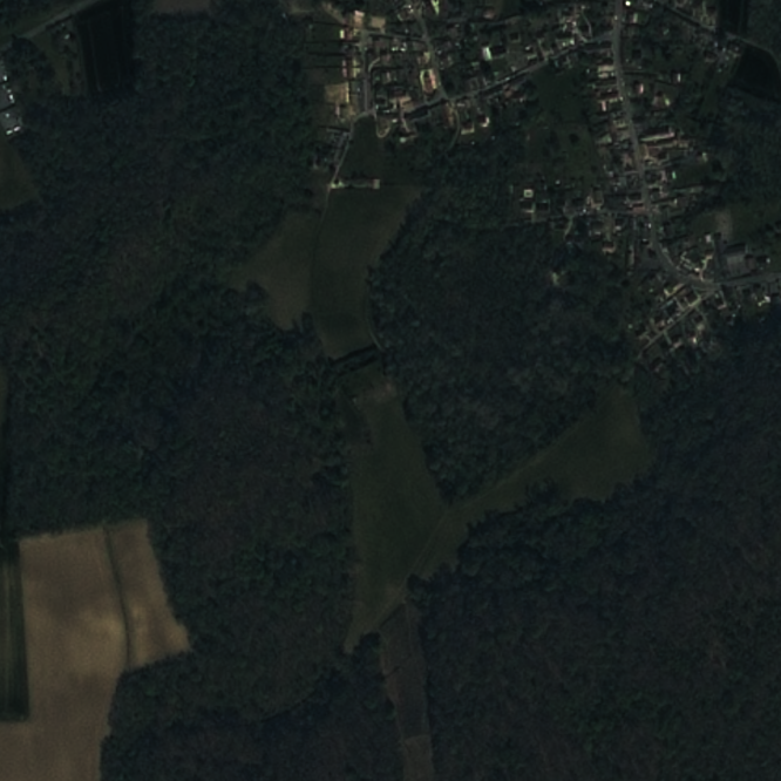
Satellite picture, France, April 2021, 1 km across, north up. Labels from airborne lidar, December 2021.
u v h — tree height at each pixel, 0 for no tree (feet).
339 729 97
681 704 71
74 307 72
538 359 96
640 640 60
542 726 95
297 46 52
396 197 0
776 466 46
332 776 93
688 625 53
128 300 84
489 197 43
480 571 54
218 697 25
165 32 67
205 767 98
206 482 77
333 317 0
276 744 114
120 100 78
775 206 68
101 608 0
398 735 54
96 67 0
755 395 92
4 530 0
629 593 70
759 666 73
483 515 0
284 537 69
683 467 84
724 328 20
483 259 22
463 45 28
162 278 62
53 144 75
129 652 0
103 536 0
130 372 31
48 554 0
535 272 65
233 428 59
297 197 55
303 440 78
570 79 0
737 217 0
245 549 60
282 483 96
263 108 66
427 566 0
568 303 104
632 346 0
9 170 0
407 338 68
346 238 0
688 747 52
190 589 59
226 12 28
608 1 0
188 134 64
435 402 90
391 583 0
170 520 71
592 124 34
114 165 46
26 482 71
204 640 64
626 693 59
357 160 0
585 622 90
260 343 95
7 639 0
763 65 0
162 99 71
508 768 46
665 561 109
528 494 0
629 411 0
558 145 57
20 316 74
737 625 51
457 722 52
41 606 0
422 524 0
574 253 87
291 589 66
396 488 0
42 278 77
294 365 96
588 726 52
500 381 78
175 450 88
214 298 73
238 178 78
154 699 77
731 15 0
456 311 21
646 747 73
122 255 72
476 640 89
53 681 0
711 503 65
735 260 0
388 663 0
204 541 85
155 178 85
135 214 76
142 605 0
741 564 90
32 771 0
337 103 0
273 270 0
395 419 0
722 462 92
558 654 58
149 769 83
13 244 77
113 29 0
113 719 37
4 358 54
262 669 67
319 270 0
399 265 51
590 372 102
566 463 0
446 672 95
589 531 87
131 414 90
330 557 93
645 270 0
